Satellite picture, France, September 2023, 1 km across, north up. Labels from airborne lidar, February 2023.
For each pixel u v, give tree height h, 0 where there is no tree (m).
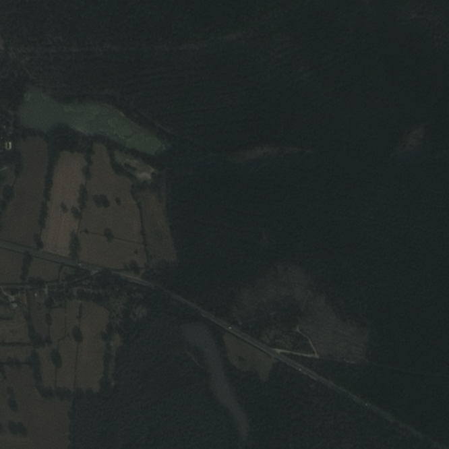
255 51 14
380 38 16
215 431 15
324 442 10
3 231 0
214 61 16
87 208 0
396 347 24
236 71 15
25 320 10
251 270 12
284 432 16
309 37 18
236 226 11
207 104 14
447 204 19
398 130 18
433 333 20
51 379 0
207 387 10
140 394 16
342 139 15
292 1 23
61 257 0
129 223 0
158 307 13
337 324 0
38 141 0
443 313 23
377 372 19
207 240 12
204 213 13
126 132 0
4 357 0
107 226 0
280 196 16
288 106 19
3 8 24
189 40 20
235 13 31
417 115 16
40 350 0
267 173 22
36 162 0
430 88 11
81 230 0
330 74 14
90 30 23
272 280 0
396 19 13
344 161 21
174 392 14
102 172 0
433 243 19
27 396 0
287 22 18
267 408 21
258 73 12
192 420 13
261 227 16
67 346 0
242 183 18
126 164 0
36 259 0
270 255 11
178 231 12
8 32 17
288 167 19
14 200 0
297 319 22
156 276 17
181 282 12
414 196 17
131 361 16
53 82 10
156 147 0
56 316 0
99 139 13
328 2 19
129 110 20
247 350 0
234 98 12
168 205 12
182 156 10
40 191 0
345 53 18
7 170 0
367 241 16
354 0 17
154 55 15
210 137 16
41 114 0
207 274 20
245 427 0
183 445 10
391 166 20
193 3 31
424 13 6
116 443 17
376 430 17
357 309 19
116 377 12
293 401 22
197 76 11
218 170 23
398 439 23
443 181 21
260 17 23
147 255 19
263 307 0
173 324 16
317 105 13
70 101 8
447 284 23
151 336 15
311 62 13
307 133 20
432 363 20
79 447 12
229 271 13
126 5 24
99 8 26
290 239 13
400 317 20
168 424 12
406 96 14
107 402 14
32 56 12
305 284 0
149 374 13
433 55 11
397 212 15
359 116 17
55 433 0
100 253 0
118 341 0
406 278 18
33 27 27
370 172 17
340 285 21
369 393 18
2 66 16
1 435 0
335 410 15
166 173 13
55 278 0
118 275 0
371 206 12
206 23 29
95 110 0
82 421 15
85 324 0
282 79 11
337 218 16
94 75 15
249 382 19
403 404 22
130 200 0
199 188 15
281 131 21
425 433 20
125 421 18
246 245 12
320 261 18
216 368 0
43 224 12
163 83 11
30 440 0
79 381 0
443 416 21
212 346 0
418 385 22
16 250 0
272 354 0
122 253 0
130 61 17
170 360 11
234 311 0
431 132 13
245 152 0
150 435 16
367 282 12
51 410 0
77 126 0
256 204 15
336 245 19
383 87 17
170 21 27
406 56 13
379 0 14
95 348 0
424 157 22
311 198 17
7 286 0
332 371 19
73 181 0
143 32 27
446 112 6
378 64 20
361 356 0
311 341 0
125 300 0
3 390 0
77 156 0
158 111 12
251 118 21
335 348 0
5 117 5
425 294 20
